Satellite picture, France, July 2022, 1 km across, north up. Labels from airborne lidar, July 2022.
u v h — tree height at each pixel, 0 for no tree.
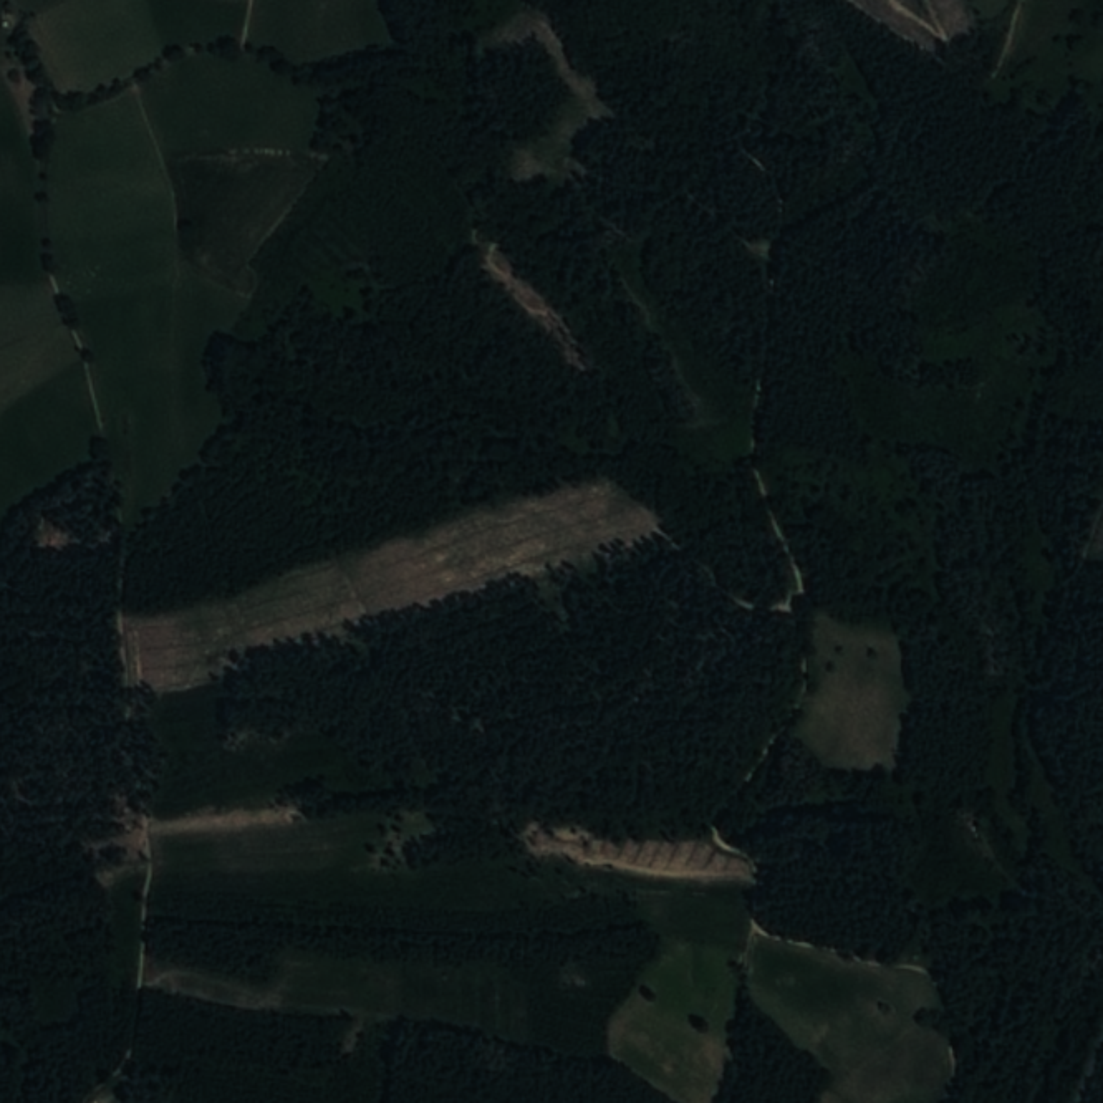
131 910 0
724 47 19
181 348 0
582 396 24
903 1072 0
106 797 19
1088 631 25
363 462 24
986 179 30
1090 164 19
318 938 19
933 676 23
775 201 22
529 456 28
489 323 14
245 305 0
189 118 0
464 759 21
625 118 22
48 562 26
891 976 0
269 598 0
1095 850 7
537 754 26
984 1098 11
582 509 0
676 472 18
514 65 16
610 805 35
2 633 19
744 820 24
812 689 7
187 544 10
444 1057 31
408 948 18
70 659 24
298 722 35
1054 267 28
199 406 0
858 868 32
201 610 0
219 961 17
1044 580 0
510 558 0
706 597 24
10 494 0
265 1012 8
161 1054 7
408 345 8
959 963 25
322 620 0
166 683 0
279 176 0
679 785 13
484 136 20
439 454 21
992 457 6
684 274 25
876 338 23
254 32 0
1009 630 13
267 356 22
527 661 17
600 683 17
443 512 9
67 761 25
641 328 14
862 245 20
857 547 22
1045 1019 23
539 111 22
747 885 0
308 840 0
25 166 0
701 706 20
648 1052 0
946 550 19
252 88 0
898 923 28
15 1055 29
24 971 11
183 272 0
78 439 0
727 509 11
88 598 28
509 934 12
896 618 14
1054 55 0
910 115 29
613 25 25
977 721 22
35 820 21
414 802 22
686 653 17
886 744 0
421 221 6
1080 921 34
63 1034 19
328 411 6
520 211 22
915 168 30
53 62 0
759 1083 29
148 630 0
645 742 19
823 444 18
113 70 0
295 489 8
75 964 8
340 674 35
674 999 0
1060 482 25
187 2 0
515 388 25
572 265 35
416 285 14
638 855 0
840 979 0
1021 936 21
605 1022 7
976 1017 10
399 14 34
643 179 16
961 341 0
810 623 20
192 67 0
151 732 21
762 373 19
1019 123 26
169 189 0
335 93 16
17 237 0
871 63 27
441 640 18
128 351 0
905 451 16
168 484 0
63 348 0
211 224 0
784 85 31
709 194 19
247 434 21
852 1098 0
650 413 11
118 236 0
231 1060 12
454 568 0
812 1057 21
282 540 10
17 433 0
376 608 0
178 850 0
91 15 0
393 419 10
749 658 30
